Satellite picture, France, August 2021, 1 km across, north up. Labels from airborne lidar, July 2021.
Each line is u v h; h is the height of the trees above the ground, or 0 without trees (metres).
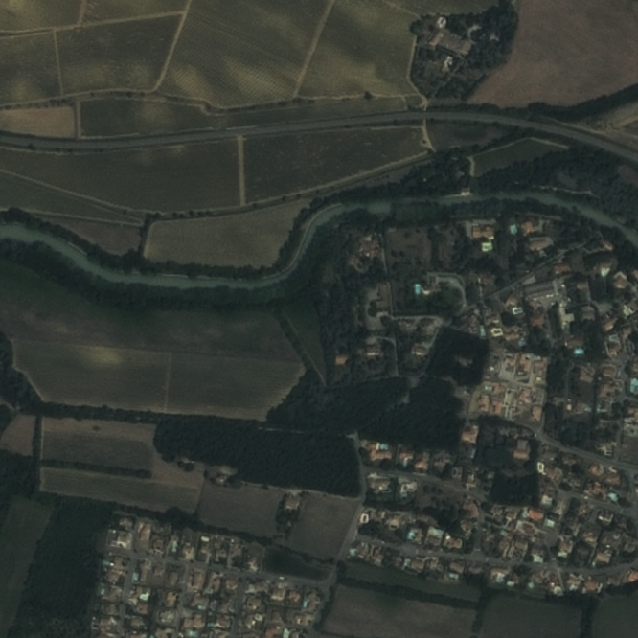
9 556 0
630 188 7
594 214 0
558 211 15
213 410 0
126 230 0
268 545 8
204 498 0
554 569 0
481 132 0
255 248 0
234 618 7
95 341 0
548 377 7
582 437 12
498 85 0
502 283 11
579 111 15
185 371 0
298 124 0
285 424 10
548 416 9
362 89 0
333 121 0
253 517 0
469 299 11
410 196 10
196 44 0
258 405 0
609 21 0
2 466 10
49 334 0
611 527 6
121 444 0
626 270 6
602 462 0
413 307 11
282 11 0
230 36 0
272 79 0
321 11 0
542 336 9
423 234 0
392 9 0
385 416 11
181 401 0
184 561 0
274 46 0
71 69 0
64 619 7
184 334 0
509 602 0
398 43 0
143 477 11
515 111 8
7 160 0
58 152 9
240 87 0
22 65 0
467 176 12
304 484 8
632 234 0
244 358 0
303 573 0
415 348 0
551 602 10
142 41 0
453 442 14
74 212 0
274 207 0
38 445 12
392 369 13
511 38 8
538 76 0
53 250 15
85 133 0
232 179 0
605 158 10
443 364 15
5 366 6
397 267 7
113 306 10
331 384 10
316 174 0
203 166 0
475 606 7
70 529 7
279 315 11
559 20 0
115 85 0
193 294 17
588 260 13
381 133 0
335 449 10
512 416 0
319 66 0
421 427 14
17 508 0
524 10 0
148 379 0
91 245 14
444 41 0
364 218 17
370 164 0
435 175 6
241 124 0
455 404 15
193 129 0
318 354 0
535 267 8
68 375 0
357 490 10
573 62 0
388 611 0
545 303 0
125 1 0
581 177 17
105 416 12
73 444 0
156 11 0
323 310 27
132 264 17
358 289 19
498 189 10
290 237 8
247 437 10
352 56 0
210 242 0
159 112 0
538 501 13
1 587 0
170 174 0
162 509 0
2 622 0
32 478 14
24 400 12
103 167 0
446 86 8
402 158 0
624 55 0
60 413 12
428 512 13
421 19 7
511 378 0
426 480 0
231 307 10
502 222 16
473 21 10
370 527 10
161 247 0
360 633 0
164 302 17
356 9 0
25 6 0
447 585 0
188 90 0
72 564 9
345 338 13
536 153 0
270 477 9
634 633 0
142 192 0
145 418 8
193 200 0
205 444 12
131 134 0
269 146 0
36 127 0
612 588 11
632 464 0
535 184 8
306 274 22
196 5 0
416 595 12
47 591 7
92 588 8
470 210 17
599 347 12
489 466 9
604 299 5
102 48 0
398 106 0
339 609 0
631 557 6
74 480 0
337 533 0
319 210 11
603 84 0
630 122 0
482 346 16
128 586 0
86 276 21
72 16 0
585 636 12
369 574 0
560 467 5
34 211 0
